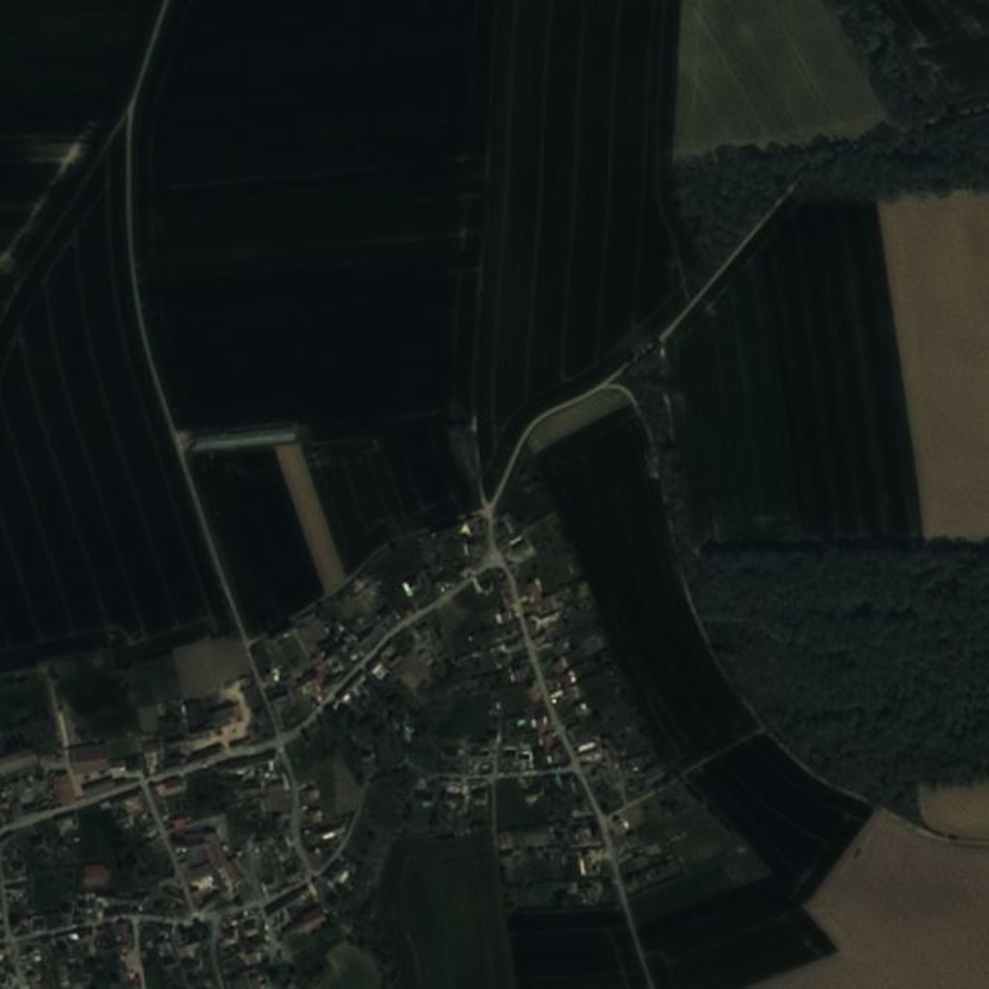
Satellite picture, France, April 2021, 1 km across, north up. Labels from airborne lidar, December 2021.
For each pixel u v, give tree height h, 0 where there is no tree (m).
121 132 0
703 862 0
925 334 0
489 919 0
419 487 0
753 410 0
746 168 19
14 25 0
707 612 12
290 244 0
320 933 6
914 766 20
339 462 0
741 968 0
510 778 0
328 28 0
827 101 0
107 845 0
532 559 0
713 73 0
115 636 0
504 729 0
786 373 0
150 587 0
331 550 0
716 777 0
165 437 0
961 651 18
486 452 0
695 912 0
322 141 0
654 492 0
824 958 0
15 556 0
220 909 17
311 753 0
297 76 0
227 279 0
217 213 0
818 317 0
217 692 0
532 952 0
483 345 0
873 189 16
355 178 0
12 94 0
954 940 0
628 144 0
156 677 0
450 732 0
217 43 0
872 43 19
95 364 0
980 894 0
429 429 0
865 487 0
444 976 0
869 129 0
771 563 17
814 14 0
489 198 0
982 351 0
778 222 0
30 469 0
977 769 19
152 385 0
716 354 0
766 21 0
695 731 0
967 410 0
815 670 16
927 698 21
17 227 0
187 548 0
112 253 0
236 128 0
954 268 0
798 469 0
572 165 0
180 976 9
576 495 0
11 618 0
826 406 0
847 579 22
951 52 0
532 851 6
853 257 0
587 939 0
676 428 0
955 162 18
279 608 0
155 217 0
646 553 0
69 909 0
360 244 0
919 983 0
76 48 0
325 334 0
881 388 0
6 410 0
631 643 0
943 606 15
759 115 0
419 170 0
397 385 0
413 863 0
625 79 0
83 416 0
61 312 0
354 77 0
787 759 0
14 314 0
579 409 0
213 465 0
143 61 0
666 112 0
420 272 0
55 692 0
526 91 0
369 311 0
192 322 0
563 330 0
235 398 0
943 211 0
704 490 0
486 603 0
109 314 0
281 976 15
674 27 0
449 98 0
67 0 0
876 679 23
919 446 0
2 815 0
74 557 0
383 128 0
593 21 0
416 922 0
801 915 0
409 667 0
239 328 0
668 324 0
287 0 0
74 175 0
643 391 10
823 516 0
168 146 0
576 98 0
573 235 0
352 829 0
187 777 0
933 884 0
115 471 0
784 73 0
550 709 0
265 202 0
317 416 0
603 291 0
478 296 0
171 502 0
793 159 16
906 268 0
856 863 0
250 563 0
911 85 15
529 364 0
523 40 0
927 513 0
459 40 0
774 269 0
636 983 0
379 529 0
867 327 0
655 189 0
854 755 14
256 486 0
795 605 18
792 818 0
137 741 0
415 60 0
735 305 0
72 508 0
